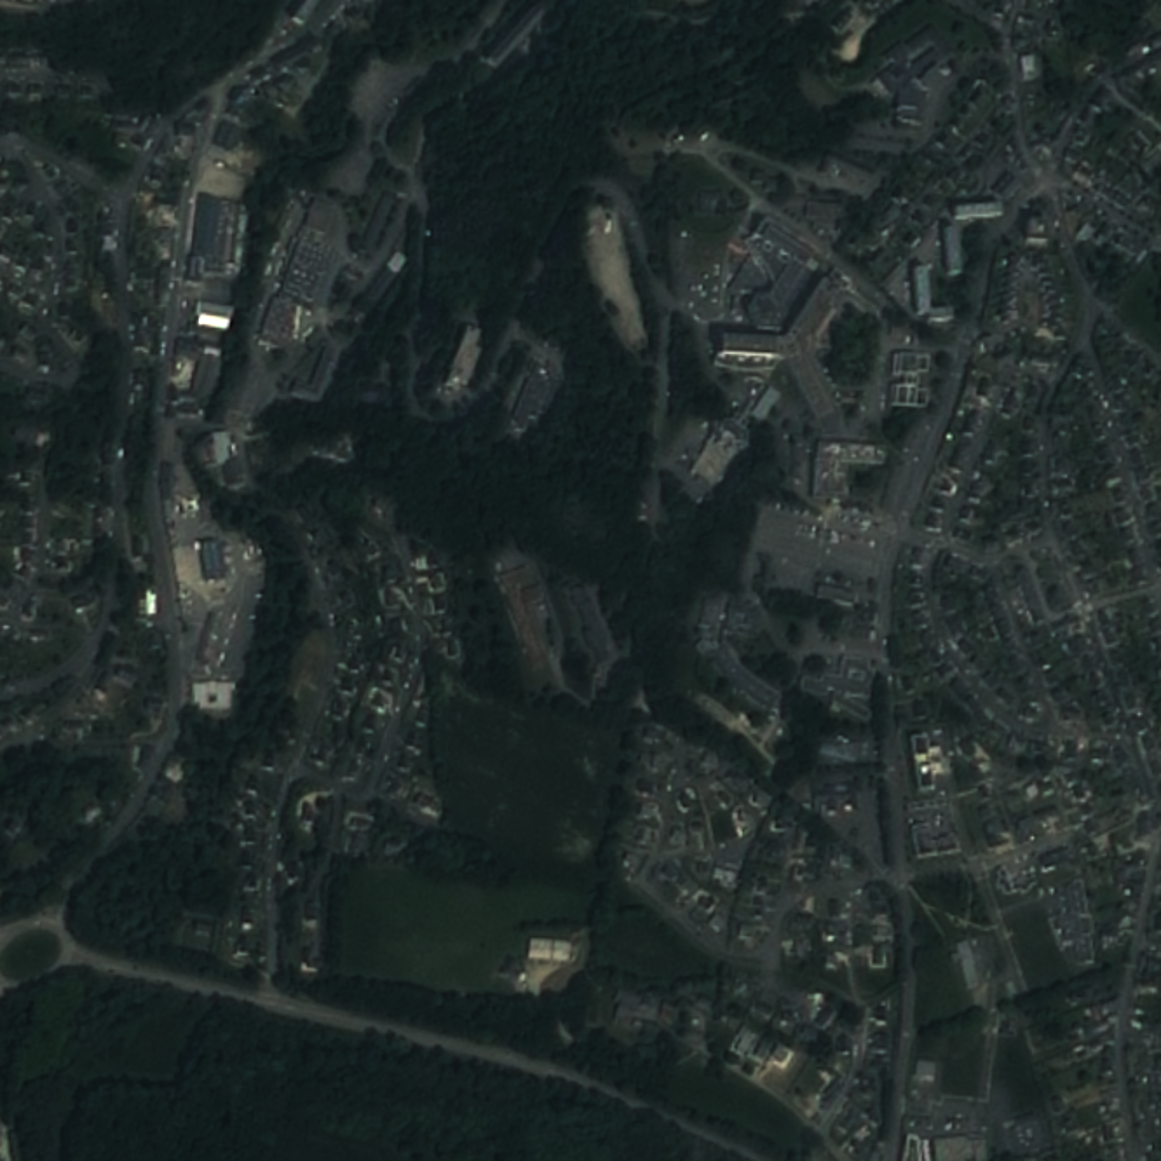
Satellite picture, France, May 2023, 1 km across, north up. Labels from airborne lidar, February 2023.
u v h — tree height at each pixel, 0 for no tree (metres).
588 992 12
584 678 12
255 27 16
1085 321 0
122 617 12
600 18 15
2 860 19
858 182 0
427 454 21
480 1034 18
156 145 0
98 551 13
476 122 15
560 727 0
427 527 11
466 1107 24
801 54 20
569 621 0
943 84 0
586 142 18
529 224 17
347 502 20
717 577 16
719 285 0
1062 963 0
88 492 10
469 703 0
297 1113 21
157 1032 0
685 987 13
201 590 0
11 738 0
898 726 9
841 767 10
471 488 14
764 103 19
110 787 18
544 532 15
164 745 0
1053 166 0
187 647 0
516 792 0
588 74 19
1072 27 14
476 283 16
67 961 0
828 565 0
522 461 20
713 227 0
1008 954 0
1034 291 0
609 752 0
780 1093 0
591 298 12
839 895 0
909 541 0
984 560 0
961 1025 12
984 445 0
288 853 7
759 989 0
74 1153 26
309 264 0
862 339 6
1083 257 5
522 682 0
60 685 6
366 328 12
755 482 11
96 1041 8
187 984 0
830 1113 0
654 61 20
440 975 0
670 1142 24
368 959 0
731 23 20
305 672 0
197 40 18
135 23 7
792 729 12
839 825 0
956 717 10
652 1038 11
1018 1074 0
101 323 15
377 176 11
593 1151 23
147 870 21
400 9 17
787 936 0
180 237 0
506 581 0
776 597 13
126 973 0
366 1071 19
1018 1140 0
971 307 11
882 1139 8
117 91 16
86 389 7
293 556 13
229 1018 20
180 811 0
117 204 0
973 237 17
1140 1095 9
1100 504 0
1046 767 14
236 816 6
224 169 0
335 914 10
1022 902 0
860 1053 0
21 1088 11
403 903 0
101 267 8
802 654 0
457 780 0
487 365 13
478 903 0
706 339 0
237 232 0
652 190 8
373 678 8
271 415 16
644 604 18
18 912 20
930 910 0
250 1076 21
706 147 0
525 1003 15
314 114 13
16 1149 7
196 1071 23
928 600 0
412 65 0
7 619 0
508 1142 20
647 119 8
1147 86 8
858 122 12
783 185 13
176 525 0
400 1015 17
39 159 0
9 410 12
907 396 0
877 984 0
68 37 15
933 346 0
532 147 22
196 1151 25
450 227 22
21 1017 8
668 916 0
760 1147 16
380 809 17
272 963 0
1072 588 0
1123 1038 0
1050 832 0
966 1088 0
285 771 0
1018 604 0
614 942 0
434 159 14
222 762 5
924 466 0
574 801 0
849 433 0
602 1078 20
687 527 13
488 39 8
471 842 11
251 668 12
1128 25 8
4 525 0
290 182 15
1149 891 0
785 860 0
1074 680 9
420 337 16
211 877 13
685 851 0
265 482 7
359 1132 20
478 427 23
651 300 8
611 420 21
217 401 8
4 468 14
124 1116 22
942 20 0
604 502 11
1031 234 0
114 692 0
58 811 20
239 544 0
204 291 0
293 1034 11
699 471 0
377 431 17
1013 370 0
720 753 18
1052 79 13
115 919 16
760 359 0
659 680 13
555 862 0
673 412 8
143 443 18
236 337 16
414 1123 19
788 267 0
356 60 24
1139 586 6
